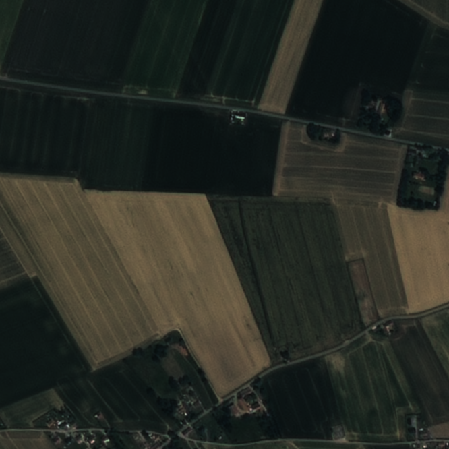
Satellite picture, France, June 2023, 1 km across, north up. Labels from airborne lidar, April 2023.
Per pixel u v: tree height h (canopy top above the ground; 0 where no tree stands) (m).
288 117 0
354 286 0
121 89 0
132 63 0
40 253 0
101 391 0
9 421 0
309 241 0
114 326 0
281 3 0
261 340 0
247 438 0
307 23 0
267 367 0
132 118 0
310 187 0
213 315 0
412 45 0
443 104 0
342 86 0
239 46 0
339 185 0
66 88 0
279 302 0
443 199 0
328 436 0
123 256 0
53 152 0
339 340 0
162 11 0
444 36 0
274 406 0
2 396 0
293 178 0
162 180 0
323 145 0
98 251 0
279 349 0
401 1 0
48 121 0
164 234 0
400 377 0
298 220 0
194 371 0
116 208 0
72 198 0
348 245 0
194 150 0
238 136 0
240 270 0
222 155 0
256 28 0
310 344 0
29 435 0
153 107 0
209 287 0
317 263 0
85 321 0
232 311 0
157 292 0
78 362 0
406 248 0
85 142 0
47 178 0
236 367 0
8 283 0
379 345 0
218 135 0
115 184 0
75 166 0
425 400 0
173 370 0
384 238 0
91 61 0
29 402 0
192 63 0
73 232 0
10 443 0
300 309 0
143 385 0
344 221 0
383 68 0
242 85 0
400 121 0
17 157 0
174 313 0
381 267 0
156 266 0
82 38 0
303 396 0
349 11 0
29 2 0
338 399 0
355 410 0
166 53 0
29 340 0
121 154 0
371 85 0
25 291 0
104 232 0
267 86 0
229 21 0
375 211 0
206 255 0
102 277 0
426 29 0
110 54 0
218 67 0
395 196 0
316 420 0
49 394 0
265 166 0
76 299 0
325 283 0
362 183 0
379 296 0
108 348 0
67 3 0
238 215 0
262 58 0
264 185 0
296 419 0
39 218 0
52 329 0
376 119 17
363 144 0
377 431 0
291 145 0
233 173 0
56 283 0
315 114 0
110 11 0
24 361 0
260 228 0
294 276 0
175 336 0
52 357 0
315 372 0
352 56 0
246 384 0
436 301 0
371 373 0
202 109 0
